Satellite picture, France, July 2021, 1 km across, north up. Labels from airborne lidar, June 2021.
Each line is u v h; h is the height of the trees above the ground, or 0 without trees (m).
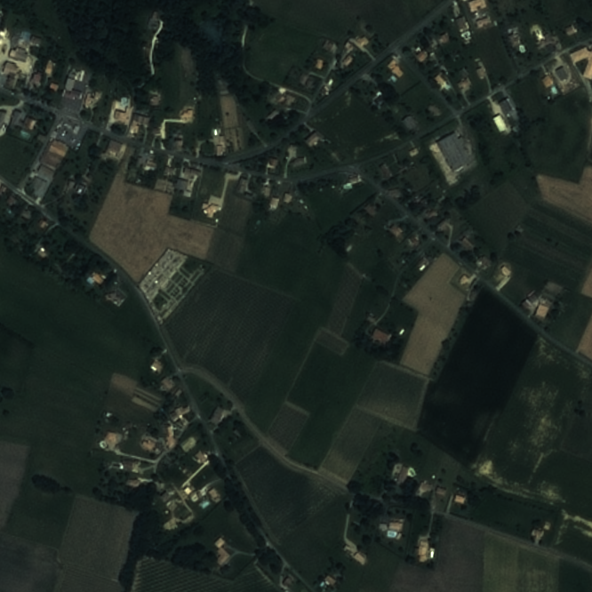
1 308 0
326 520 0
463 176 0
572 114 0
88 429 0
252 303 0
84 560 0
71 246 14
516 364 0
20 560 0
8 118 0
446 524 0
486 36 0
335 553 0
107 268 8
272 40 0
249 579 0
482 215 0
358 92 9
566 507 0
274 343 0
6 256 0
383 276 0
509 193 0
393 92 19
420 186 0
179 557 13
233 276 0
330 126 0
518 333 0
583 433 0
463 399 0
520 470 0
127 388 0
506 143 0
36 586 0
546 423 0
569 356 0
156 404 0
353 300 0
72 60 8
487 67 0
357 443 0
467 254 13
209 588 0
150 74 10
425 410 0
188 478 0
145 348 0
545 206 0
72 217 9
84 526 0
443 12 0
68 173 6
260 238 0
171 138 7
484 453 0
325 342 0
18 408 0
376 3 0
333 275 0
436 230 8
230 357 0
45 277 0
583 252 0
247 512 12
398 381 0
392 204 0
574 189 0
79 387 0
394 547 6
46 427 0
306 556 0
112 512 0
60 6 9
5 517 0
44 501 0
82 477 0
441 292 0
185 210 10
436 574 0
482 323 0
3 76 0
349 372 0
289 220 0
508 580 0
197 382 0
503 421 0
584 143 0
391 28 0
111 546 0
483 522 0
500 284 0
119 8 19
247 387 0
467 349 0
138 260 0
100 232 0
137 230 0
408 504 19
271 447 0
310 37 0
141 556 16
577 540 0
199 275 0
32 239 7
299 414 0
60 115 0
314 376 0
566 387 0
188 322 0
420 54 0
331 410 0
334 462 0
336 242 18
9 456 0
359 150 0
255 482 0
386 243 0
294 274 0
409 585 0
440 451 0
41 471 0
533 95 0
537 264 0
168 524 0
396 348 17
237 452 0
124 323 0
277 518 0
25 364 0
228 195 0
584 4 0
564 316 0
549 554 0
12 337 6
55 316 0
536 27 0
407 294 0
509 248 0
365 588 0
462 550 0
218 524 0
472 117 6
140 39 9
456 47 0
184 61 0
